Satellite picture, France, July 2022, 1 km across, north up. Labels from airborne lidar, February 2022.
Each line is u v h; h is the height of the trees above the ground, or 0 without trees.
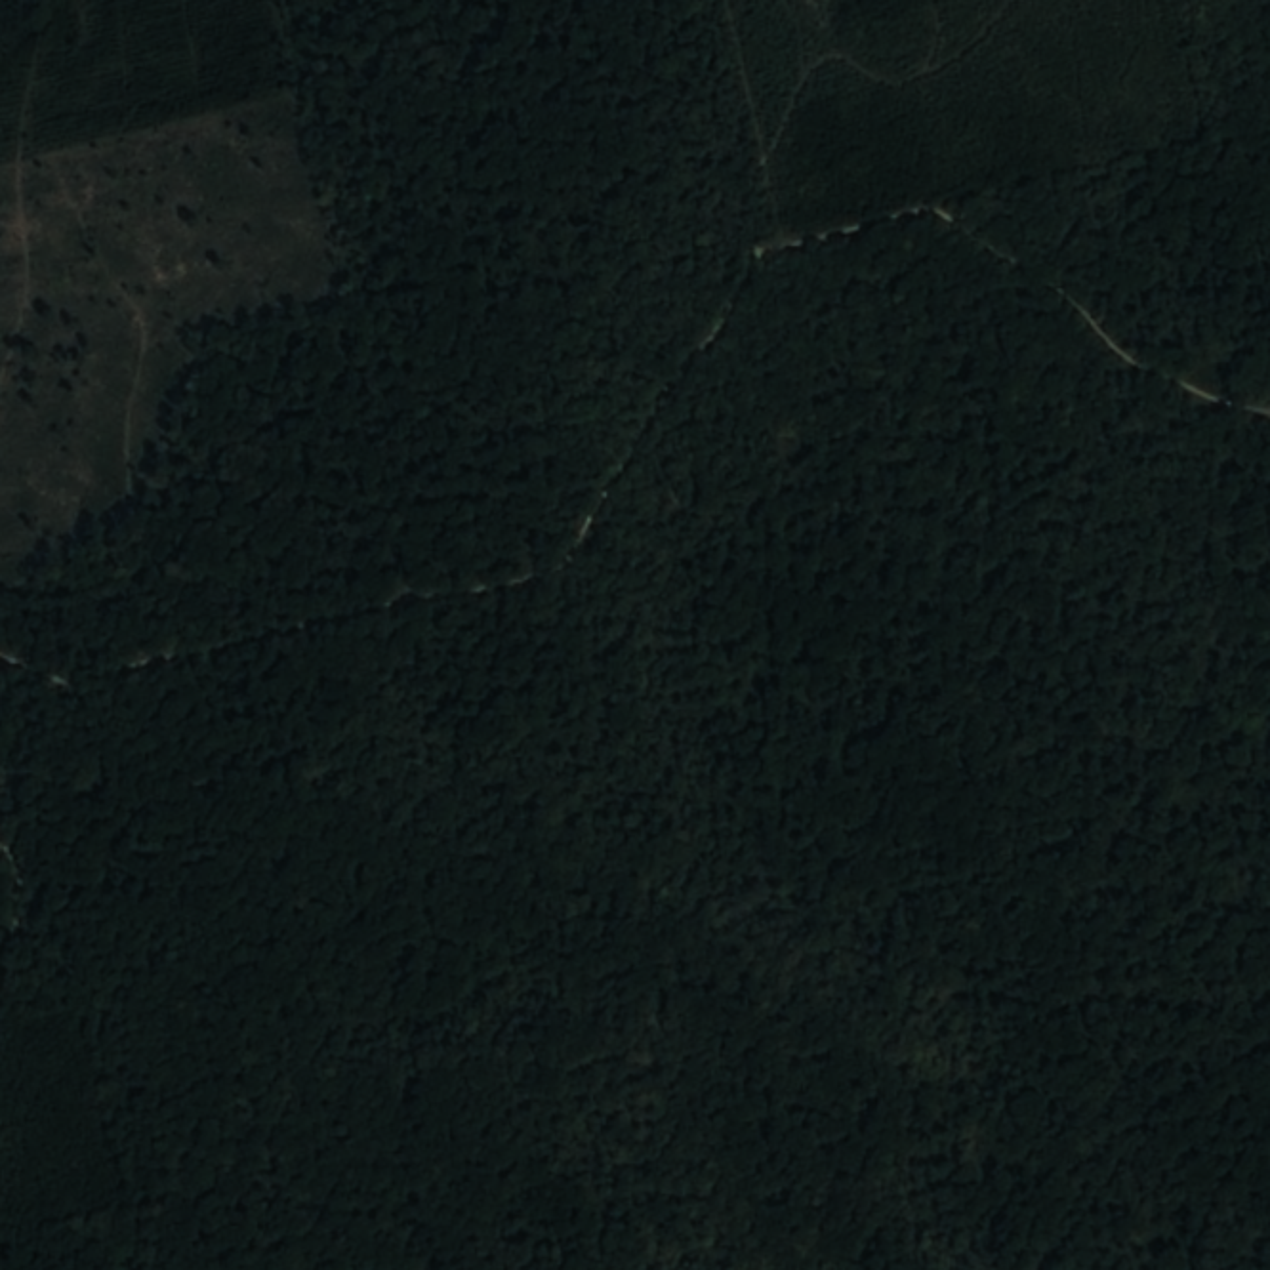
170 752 25
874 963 22
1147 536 15
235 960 25
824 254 19
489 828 18
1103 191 18
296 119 9
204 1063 24
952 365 21
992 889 20
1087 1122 22
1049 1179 23
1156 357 21
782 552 28
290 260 21
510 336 18
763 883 28
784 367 20
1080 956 19
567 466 18
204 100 6
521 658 25
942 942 9
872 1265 22
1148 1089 24
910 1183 22
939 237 20
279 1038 19
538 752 18
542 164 23
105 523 20
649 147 20
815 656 24
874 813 20
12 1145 10
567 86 21
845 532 26
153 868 25
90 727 21
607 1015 20
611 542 18
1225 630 20
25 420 20
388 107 22
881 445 22
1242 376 24
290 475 27
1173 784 23
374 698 20
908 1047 20
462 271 25
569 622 22
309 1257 19
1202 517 21
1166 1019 27
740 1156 21
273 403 28
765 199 12
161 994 21
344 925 19
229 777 27
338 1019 22
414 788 16
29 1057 11
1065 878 27
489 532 20
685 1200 17
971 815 24
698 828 21
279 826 24
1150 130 8
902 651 22
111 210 10
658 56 21
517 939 24
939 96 7
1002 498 21
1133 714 24
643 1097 18
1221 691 19
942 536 20
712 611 29
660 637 23
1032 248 22
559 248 24
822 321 16
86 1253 23
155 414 13
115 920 26
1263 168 21
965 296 23
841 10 9
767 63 7
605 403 15
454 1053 21
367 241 24
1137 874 27
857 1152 25
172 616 21
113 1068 14
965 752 19
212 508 22
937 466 18
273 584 20
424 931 21
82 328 15
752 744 27
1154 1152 21
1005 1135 28
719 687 24
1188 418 22
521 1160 20
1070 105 6
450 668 23
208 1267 22
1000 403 23
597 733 20
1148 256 22
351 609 16
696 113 16
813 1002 21
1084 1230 26
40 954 23
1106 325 21
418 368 22
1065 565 21
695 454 19
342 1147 22
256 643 20
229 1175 19
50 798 24
